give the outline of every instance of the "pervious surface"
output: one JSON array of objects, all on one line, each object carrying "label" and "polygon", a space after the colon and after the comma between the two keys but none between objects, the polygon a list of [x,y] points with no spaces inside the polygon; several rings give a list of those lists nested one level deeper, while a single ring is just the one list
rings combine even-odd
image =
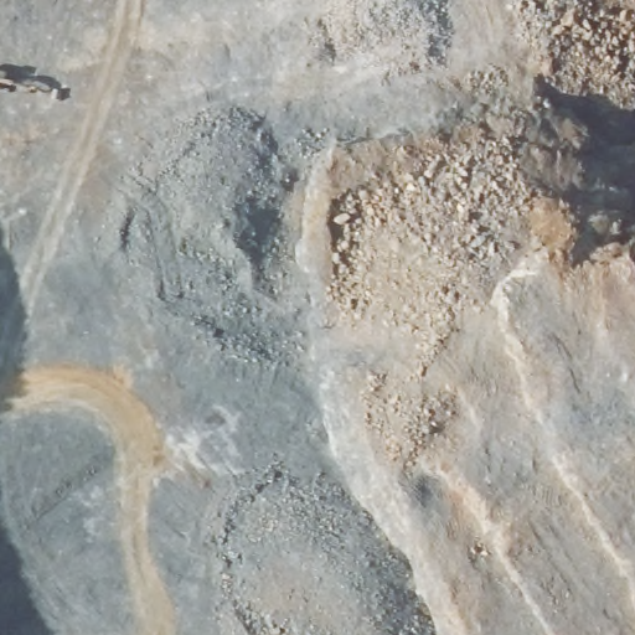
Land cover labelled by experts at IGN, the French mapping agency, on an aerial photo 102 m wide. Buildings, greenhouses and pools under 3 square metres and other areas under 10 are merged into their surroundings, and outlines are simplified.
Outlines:
[{"label": "pervious surface", "polygon": [[635,0],[0,0],[0,635],[635,635]]}]

